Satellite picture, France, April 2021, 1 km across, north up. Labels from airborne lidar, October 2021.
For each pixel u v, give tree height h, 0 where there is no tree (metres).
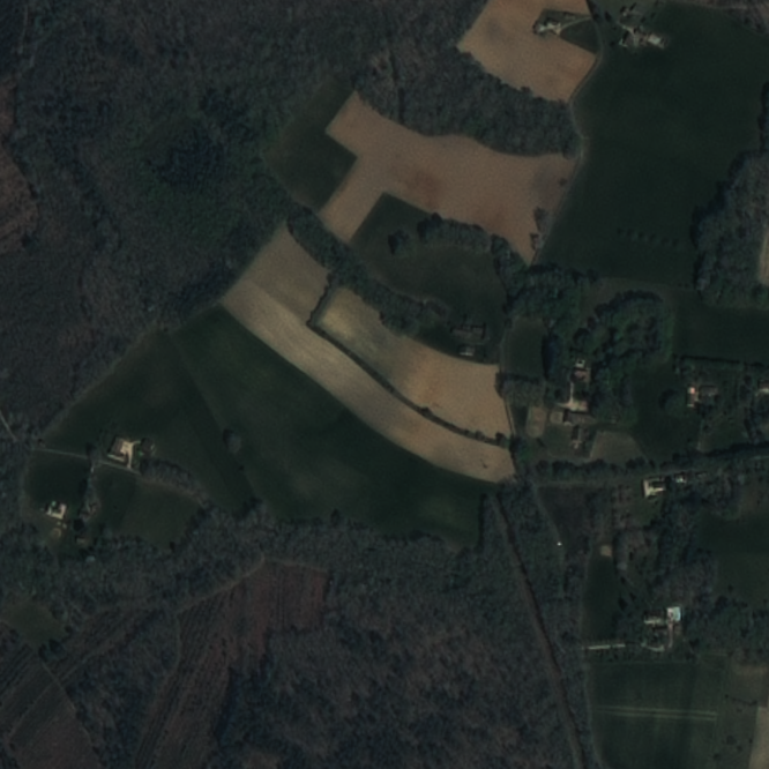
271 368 0
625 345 21
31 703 6
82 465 0
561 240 0
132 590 23
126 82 17
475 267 0
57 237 9
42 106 16
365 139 0
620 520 8
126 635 7
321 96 0
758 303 23
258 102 25
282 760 23
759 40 0
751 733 0
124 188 19
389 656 21
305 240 20
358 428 0
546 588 18
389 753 25
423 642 23
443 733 23
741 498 10
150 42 13
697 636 18
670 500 20
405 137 0
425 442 0
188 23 15
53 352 10
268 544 15
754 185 29
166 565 21
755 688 0
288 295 0
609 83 0
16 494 24
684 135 0
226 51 21
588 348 25
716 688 0
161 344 0
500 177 0
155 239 22
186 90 15
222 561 22
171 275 25
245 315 0
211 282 20
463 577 17
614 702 0
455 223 0
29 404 11
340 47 17
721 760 10
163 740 6
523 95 13
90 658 9
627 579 7
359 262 20
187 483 23
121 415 0
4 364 14
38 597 13
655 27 0
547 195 0
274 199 24
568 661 22
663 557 16
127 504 0
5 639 7
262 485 0
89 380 21
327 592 12
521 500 20
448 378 0
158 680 17
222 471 0
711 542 0
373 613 20
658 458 0
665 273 0
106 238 13
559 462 0
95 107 12
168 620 17
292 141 0
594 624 0
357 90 25
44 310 13
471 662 14
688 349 0
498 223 0
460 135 15
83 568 19
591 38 0
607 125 0
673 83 0
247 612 8
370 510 0
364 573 18
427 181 0
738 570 0
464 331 0
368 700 10
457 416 0
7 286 12
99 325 18
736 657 20
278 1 18
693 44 0
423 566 22
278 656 16
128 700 24
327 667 14
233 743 26
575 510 6
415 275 0
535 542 28
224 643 9
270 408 0
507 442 14
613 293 0
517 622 19
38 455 0
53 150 19
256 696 24
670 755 0
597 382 19
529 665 20
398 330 20
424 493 0
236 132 24
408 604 21
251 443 0
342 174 0
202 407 0
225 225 21
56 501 0
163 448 0
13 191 10
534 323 17
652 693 0
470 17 21
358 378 0
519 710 16
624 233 9
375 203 0
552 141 24
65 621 17
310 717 14
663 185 0
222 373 0
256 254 13
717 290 26
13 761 6
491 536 21
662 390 0
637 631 10
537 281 20
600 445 0
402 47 22
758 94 0
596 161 0
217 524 24
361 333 0
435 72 19
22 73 10
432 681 16
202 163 25
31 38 13
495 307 0
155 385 0
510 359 0
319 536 24
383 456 0
